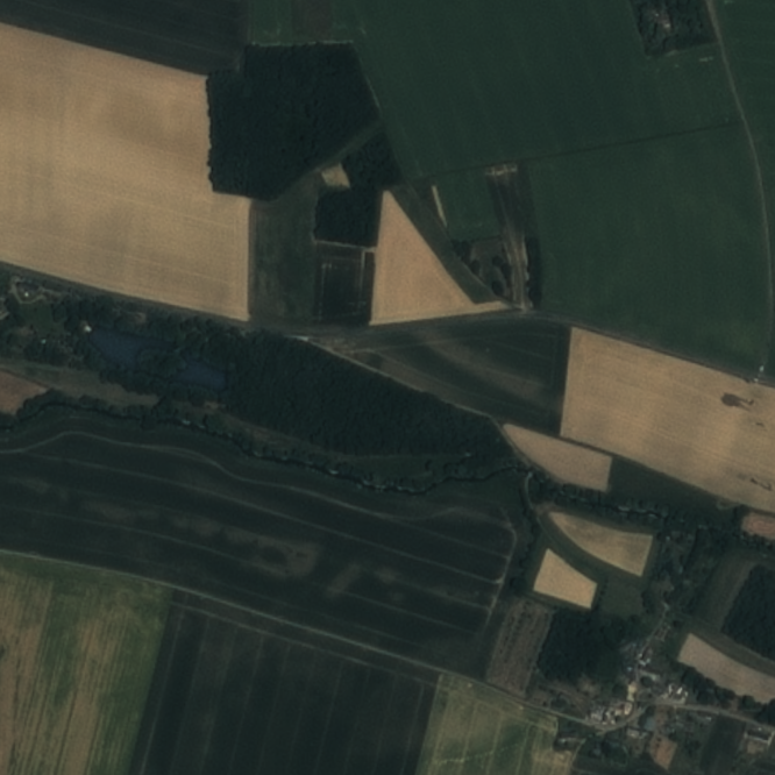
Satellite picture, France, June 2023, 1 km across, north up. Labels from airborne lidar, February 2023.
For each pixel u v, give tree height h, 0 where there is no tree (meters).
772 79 0
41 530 0
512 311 0
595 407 0
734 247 0
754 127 0
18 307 15
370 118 17
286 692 0
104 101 0
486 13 0
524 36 0
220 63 0
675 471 0
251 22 0
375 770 0
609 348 0
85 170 0
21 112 0
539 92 0
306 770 0
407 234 0
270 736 0
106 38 0
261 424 14
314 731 0
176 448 0
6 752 0
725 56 0
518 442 0
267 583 0
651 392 0
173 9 0
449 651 0
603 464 0
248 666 0
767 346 0
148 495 0
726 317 0
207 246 0
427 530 0
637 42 0
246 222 0
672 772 0
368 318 0
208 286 0
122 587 0
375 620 0
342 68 9
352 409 7
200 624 0
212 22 0
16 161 0
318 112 16
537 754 0
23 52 0
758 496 0
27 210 0
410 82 0
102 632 0
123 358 0
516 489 0
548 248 0
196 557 0
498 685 0
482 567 0
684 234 0
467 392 0
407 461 0
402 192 0
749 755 0
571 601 0
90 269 0
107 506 0
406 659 0
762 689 0
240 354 17
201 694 0
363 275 0
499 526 0
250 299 0
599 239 0
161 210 0
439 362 0
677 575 8
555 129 0
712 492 0
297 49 12
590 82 0
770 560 0
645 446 0
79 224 0
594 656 11
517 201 0
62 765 0
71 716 0
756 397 0
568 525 0
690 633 0
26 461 0
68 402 9
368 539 0
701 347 0
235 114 12
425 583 0
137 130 0
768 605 9
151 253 0
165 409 18
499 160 0
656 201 0
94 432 0
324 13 0
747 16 0
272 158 15
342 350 0
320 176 0
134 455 0
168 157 0
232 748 0
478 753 0
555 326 0
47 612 0
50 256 0
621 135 0
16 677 0
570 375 0
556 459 0
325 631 0
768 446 0
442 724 0
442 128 0
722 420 0
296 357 15
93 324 12
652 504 11
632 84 0
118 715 0
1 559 0
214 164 11
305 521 0
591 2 0
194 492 0
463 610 0
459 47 0
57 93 0
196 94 0
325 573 0
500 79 0
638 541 0
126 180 0
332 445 12
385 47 0
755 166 0
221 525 0
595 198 0
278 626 0
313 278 0
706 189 0
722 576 0
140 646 0
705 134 0
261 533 0
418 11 0
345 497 0
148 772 0
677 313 0
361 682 0
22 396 0
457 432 8
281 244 0
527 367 0
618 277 0
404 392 9
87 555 0
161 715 0
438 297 0
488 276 0
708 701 18
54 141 0
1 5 0
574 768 0
